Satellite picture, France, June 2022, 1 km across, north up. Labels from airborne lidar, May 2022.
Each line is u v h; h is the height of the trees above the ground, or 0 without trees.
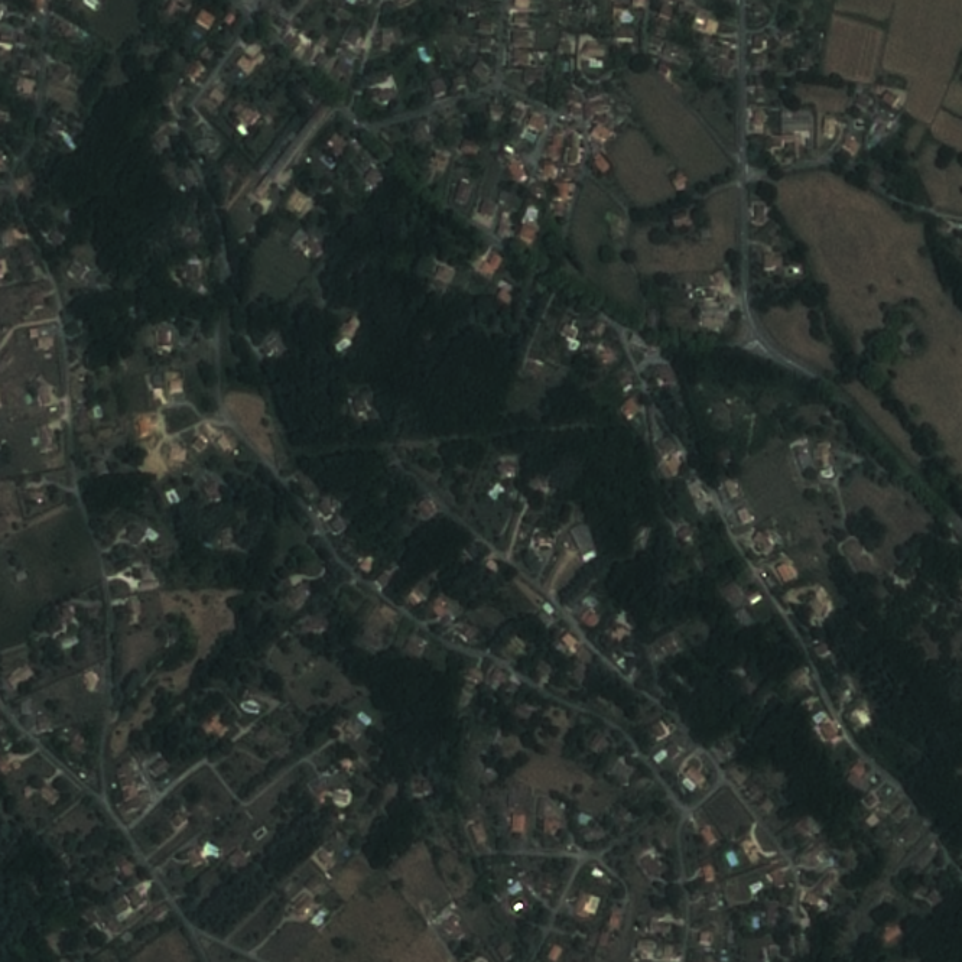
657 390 6
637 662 12
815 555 0
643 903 0
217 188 14
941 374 0
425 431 18
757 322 0
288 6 6
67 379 0
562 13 0
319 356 9
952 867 6
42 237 15
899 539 0
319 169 0
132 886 11
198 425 0
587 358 10
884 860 20
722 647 20
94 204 16
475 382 21
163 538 0
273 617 16
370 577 8
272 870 14
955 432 0
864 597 12
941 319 0
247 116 0
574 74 7
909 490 14
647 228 0
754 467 0
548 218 8
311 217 13
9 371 0
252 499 21
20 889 15
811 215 0
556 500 9
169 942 0
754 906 9
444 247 15
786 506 0
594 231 0
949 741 19
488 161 0
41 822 8
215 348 0
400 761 18
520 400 0
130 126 18
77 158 18
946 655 7
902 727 17
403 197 16
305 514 11
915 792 17
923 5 0
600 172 8
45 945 7
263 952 0
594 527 11
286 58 23
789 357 0
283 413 21
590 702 7
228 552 6
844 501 0
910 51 0
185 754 11
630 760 10
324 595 6
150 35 20
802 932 9
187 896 6
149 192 10
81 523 0
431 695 19
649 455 19
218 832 6
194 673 8
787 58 8
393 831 17
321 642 16
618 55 9
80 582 0
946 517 28
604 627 14
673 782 8
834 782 20
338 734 9
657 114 0
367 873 0
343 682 0
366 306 11
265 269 0
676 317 0
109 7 0
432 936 0
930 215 9
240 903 16
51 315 0
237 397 0
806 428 12
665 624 7
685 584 13
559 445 20
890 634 13
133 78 13
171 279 13
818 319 12
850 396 0
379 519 15
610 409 18
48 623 7
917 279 0
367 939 0
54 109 11
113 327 15
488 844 0
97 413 0
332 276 20
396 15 8
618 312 27
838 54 0
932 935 21
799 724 20
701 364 10
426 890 0
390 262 9
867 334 7
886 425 0
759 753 13
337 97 26
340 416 17
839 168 15
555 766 0
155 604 0
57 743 8
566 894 0
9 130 21
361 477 18
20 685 11
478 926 0
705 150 0
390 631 7
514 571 14
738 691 21
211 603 0
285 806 6
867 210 0
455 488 9
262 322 16
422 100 16
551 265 23
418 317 12
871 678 13
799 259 12
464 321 14
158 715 6
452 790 20
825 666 7
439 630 16
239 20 15
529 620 13
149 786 0
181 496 0
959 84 0
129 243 15
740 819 0
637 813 8
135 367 0
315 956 0
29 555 0
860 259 0
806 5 0
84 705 0
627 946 0
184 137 15
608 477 17
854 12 0
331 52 10
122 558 11
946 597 10
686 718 9
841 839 10
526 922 6
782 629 6
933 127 0
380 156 25
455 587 20
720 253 0
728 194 0
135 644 0
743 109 0
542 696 11
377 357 18
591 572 16
